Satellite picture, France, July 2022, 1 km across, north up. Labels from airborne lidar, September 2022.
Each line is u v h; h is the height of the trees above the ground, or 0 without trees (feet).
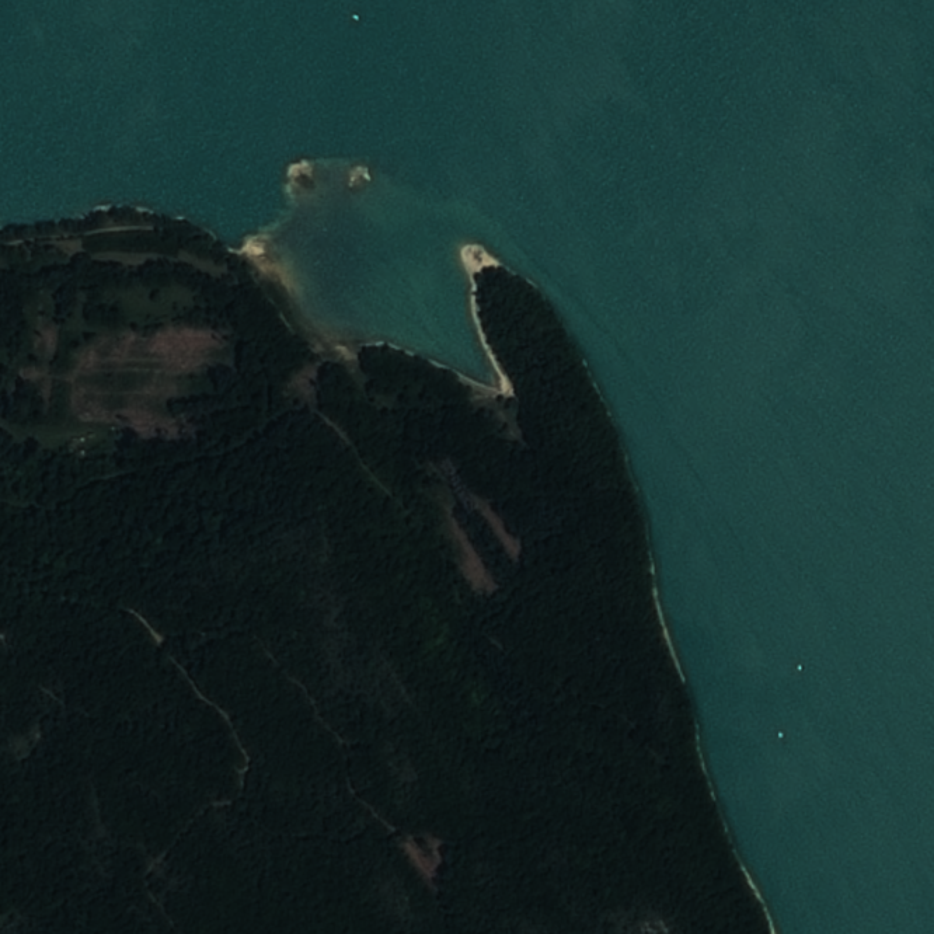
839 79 0
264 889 36
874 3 0
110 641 43
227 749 74
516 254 0
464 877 40
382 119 0
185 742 33
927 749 0
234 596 55
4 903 34
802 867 0
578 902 25
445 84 0
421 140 0
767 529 0
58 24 0
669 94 0
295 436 46
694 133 0
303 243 0
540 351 52
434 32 0
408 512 44
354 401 53
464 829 44
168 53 0
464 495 95
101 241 20
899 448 0
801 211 0
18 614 52
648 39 0
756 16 0
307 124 0
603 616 50
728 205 0
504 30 0
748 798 0
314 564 24
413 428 66
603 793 49
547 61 0
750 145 0
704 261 0
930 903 0
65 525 71
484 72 0
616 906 35
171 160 0
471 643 54
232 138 0
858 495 0
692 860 59
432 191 0
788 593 0
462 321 0
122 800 36
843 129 0
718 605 0
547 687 57
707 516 0
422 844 65
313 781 31
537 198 0
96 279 48
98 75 0
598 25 0
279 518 57
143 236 21
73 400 0
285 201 0
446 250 0
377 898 18
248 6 0
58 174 0
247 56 0
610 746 81
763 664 0
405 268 0
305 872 38
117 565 67
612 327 0
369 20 0
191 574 46
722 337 0
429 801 33
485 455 60
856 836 0
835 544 0
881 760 0
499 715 73
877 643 0
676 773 50
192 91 0
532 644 51
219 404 65
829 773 0
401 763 26
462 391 38
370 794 41
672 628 0
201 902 31
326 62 0
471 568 0
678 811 62
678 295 0
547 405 60
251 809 32
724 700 0
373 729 30
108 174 0
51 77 0
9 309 55
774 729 0
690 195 0
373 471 39
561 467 57
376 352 46
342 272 0
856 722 0
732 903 43
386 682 23
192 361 0
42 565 53
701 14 0
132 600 48
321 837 46
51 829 34
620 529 41
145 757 36
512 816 39
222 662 51
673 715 60
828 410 0
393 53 0
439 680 54
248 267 39
